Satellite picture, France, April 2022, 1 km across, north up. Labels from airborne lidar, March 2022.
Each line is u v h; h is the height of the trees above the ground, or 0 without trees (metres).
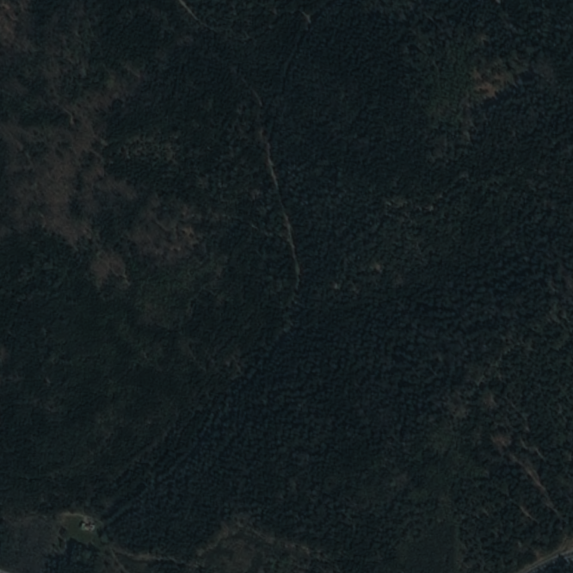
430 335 27
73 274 14
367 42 25
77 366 12
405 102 16
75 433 22
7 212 11
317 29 22
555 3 17
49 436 21
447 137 23
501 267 27
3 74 18
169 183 21
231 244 13
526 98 22
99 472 14
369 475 15
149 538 17
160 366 15
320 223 17
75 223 19
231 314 24
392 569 19
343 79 20
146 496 18
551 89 28
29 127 15
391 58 23
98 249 13
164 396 14
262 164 13
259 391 23
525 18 22
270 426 26
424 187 12
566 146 15
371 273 24
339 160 19
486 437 18
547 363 21
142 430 15
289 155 19
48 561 20
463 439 11
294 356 21
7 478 14
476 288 25
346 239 9
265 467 24
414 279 25
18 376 9
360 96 17
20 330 17
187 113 16
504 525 27
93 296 13
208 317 16
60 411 16
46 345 16
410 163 16
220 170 18
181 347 20
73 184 14
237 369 11
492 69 12
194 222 13
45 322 8
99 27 20
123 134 11
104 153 11
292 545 20
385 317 24
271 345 12
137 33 22
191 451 18
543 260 17
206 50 16
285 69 18
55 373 10
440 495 17
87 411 20
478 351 13
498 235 20
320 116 19
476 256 27
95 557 27
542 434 31
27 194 9
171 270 14
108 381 13
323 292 14
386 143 21
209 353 16
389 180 13
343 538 19
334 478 23
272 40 22
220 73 27
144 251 18
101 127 12
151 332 16
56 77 10
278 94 18
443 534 20
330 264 17
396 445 23
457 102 11
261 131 13
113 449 16
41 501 16
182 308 19
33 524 16
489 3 25
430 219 27
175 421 16
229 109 17
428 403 24
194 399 13
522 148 21
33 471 22
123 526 23
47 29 16
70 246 17
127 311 13
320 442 31
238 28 16
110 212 21
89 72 16
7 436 21
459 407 22
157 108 14
